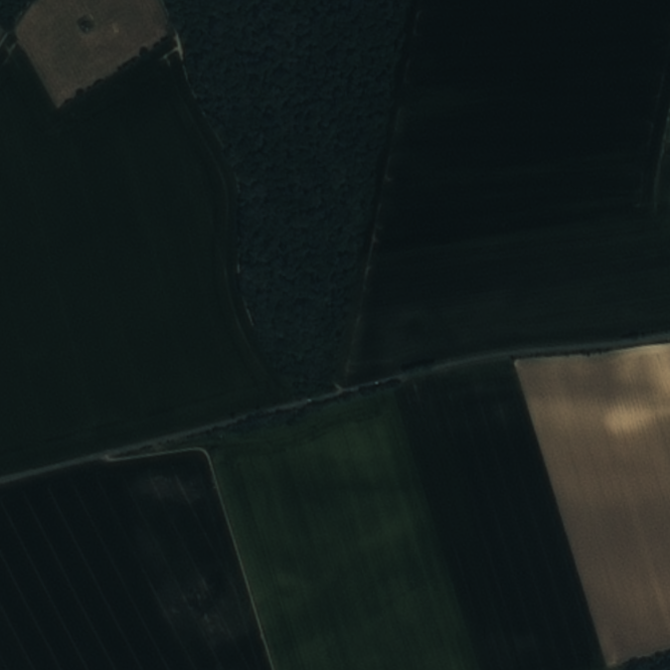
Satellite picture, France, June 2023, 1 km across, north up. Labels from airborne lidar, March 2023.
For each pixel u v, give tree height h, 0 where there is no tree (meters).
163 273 0
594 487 0
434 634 0
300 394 7
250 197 13
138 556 0
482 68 0
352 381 0
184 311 0
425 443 0
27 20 0
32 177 0
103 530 0
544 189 0
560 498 0
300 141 22
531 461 0
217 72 23
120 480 0
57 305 0
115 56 0
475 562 0
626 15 0
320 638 0
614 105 0
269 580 0
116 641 0
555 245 0
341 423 0
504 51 0
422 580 0
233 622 0
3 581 0
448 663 0
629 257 0
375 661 0
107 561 0
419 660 0
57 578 0
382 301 0
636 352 0
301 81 18
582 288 0
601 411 0
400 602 0
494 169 0
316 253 27
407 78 0
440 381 0
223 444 0
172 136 0
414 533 0
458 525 0
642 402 0
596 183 0
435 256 0
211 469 0
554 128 0
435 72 0
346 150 27
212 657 0
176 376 0
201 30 25
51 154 0
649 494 0
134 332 0
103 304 0
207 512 0
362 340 0
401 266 0
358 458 0
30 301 0
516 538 0
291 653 0
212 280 0
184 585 0
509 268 0
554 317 0
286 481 0
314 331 23
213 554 0
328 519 0
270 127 24
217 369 0
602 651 0
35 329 0
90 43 0
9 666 0
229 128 21
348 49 29
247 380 0
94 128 0
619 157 0
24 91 0
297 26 26
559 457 0
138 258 0
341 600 0
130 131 0
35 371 0
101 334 0
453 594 0
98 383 0
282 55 28
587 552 0
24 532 0
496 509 0
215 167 0
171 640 0
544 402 0
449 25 0
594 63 0
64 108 0
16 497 0
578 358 0
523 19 0
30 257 0
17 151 0
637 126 0
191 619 0
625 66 0
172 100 0
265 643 0
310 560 0
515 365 0
